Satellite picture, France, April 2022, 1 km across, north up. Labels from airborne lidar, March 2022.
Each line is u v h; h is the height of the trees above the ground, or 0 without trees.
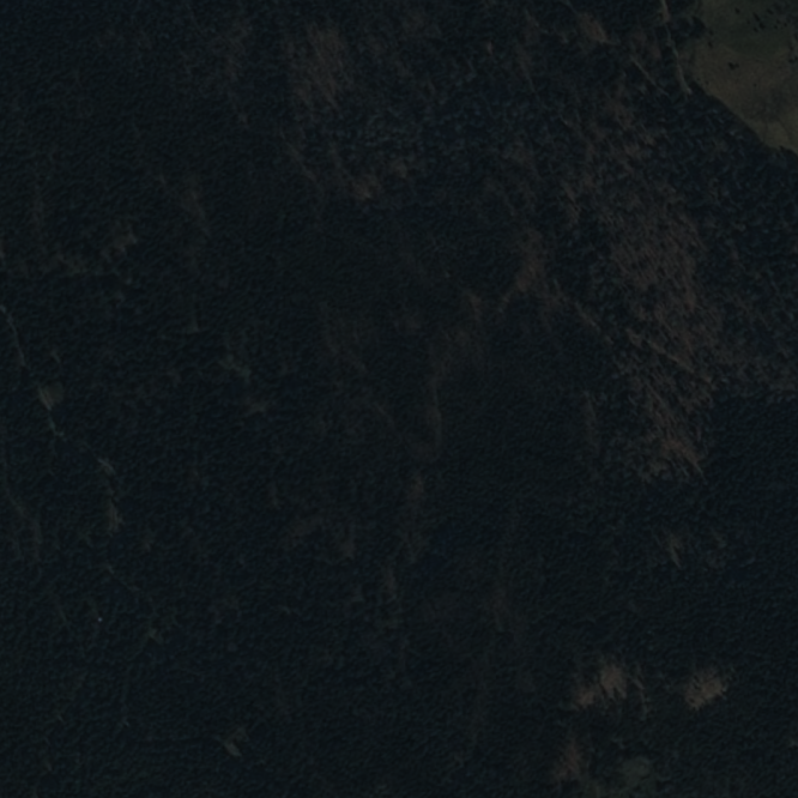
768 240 10
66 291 22
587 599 23
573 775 23
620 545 22
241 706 28
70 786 27
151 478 28
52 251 22
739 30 0
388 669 22
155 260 28
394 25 23
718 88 0
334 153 17
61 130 27
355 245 18
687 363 30
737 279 33
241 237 22
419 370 19
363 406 21
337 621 27
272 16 21
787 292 34
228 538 29
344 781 26
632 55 18
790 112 0
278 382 30
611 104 18
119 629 30
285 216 17
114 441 29
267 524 25
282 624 24
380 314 20
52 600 17
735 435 25
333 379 31
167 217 24
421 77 26
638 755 9
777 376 9
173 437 17
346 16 23
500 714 24
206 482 26
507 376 22
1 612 24
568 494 22
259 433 29
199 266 18
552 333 21
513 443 22
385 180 16
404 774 28
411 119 27
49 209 24
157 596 27
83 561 27
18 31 25
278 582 24
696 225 33
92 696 32
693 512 21
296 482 21
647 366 28
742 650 23
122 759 23
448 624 25
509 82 18
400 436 19
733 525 21
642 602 20
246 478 22
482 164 15
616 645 24
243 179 20
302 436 26
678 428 23
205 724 19
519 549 21
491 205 21
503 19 23
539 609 23
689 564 27
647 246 34
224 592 28
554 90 23
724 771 23
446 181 18
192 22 29
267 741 32
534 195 15
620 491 27
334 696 28
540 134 33
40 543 22
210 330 17
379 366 20
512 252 16
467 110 20
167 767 26
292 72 23
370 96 28
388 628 13
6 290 26
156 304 22
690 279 36
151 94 22
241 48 24
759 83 0
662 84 8
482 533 26
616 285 42
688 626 27
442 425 17
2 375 33
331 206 18
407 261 15
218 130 25
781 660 24
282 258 18
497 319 20
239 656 23
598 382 22
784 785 27
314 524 23
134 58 26
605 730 21
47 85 19
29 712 27
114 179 26
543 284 17
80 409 28
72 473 30
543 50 21
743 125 16
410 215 20
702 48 0
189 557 28
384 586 19
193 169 21
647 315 28
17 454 29
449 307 23
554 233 16
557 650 19
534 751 21
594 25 19
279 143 18
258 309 23
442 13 24
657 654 22
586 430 22
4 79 24
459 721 28
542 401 16
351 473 25
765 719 22
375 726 27
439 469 24
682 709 25
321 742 29
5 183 26
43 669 26
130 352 28
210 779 24
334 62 25
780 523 15
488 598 19
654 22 22
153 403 18
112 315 19
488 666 20
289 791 34
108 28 25
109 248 21
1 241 21
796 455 26
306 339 23
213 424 23
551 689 19
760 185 38
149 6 22
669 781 17
